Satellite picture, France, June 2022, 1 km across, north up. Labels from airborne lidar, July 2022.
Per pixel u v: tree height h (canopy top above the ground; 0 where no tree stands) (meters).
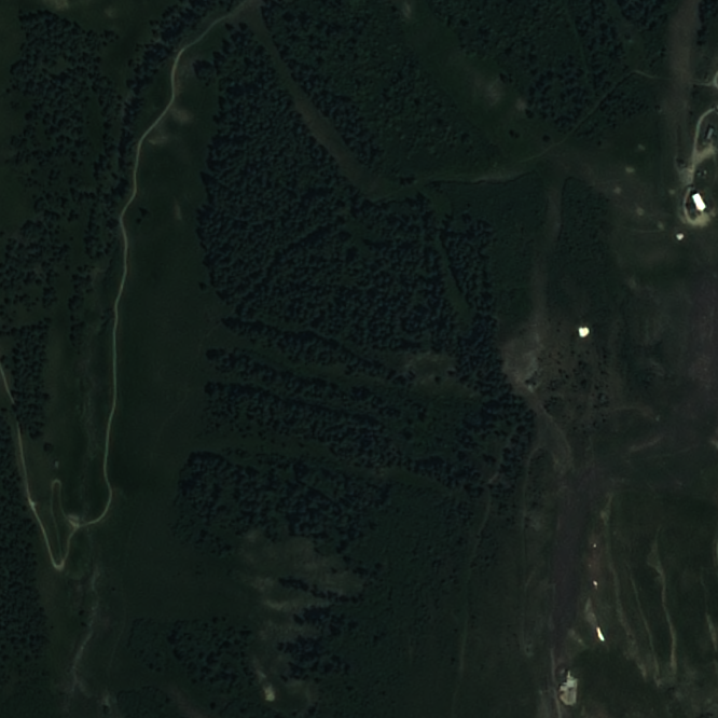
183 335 0
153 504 0
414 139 8
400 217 7
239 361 24
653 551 0
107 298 0
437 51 0
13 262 22
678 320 0
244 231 27
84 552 0
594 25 13
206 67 25
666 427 0
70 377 0
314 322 6
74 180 17
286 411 21
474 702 0
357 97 7
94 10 0
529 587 0
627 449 0
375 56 15
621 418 0
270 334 25
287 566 0
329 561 0
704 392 0
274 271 26
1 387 0
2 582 18
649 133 0
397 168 5
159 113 0
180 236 0
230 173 31
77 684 0
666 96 0
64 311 0
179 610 0
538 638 0
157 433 0
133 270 0
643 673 0
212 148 12
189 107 0
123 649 0
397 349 20
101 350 0
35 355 17
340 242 23
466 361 15
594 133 10
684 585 0
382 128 7
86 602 0
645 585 0
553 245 0
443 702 0
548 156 0
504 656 0
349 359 25
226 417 13
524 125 0
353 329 20
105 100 22
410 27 0
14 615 23
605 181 0
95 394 0
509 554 0
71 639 0
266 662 0
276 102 27
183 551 0
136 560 0
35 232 24
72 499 0
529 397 0
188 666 19
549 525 0
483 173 0
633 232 0
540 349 0
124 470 0
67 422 0
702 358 0
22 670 10
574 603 0
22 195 0
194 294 0
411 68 9
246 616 0
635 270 0
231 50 22
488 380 13
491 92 0
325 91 9
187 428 0
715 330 0
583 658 0
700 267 0
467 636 0
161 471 0
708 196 0
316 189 8
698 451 0
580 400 0
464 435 9
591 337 0
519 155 0
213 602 0
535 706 0
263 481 6
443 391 0
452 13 8
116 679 0
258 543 0
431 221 23
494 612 0
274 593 0
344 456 23
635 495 0
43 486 0
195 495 24
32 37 19
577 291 0
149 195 0
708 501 0
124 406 0
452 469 12
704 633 0
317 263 26
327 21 7
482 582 0
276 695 0
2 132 0
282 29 6
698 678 0
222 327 0
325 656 16
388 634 7
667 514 0
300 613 0
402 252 23
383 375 16
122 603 0
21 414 19
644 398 0
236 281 26
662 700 0
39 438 25
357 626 17
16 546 16
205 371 0
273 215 31
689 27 0
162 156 0
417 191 0
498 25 6
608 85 18
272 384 24
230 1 18
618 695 0
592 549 0
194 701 0
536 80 6
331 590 0
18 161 11
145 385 0
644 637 0
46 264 18
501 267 6
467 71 0
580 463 0
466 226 6
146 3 0
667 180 0
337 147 0
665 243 0
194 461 16
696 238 0
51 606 0
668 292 0
